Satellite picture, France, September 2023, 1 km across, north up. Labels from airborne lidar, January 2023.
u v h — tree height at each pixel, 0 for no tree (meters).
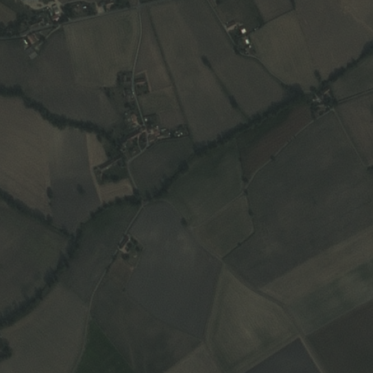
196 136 0
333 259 0
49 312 0
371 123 0
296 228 0
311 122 0
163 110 0
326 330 0
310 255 0
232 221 0
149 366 0
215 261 0
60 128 13
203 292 0
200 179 0
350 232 0
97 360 0
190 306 0
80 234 18
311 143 0
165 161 0
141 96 0
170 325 0
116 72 0
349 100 0
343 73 10
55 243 0
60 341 0
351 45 0
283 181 0
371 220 0
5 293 0
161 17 0
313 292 0
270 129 0
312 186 0
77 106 0
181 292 0
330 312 0
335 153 0
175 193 0
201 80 0
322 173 0
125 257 9
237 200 0
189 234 0
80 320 0
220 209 0
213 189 0
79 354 0
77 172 0
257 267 0
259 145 0
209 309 0
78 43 0
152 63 0
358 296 0
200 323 0
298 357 0
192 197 0
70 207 0
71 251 25
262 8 0
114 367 0
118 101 0
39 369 0
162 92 0
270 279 0
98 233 0
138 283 0
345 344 0
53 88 0
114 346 0
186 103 0
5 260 0
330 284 0
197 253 0
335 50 0
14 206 27
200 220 0
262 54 0
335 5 0
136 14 0
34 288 0
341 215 0
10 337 0
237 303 0
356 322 0
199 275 0
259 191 0
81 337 0
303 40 0
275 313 0
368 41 0
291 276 0
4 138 0
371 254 0
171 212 0
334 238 0
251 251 0
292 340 0
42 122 0
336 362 0
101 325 0
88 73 0
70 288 0
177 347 0
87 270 0
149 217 0
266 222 0
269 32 0
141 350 0
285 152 0
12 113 0
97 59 0
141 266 0
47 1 0
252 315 0
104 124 0
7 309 0
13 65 0
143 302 0
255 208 0
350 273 0
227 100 0
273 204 0
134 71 0
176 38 0
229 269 0
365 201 0
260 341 0
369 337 0
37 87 0
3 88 17
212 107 0
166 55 0
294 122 0
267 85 0
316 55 0
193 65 0
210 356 0
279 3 0
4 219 0
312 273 0
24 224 0
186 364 0
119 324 0
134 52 0
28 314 0
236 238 0
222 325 0
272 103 0
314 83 0
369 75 0
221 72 0
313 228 0
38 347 0
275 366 0
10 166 0
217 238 0
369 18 0
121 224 0
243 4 0
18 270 0
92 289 0
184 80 0
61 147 0
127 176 0
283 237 0
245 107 0
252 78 0
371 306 0
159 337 0
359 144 0
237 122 0
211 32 0
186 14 0
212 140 0
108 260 0
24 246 0
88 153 0
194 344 0
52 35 0
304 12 0
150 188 0
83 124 11
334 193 0
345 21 0
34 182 0
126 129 0
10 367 0
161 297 0
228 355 0
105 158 0
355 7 0
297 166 0
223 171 0
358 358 0
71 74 0
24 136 0
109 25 0
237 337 0
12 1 0
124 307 0
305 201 0
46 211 0
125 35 0
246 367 0
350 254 0
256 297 0
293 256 0
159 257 0
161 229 0
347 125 0
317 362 0
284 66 0
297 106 0
